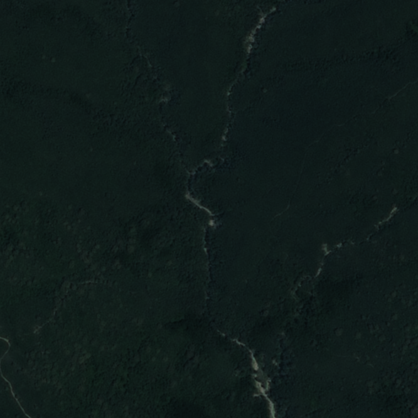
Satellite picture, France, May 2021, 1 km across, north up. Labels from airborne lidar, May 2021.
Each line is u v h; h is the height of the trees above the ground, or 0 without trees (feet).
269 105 20
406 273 20
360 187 28
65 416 30
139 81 53
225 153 64
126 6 69
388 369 32
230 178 22
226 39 18
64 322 23
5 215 37
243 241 19
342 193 21
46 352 43
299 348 19
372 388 41
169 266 32
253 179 19
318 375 23
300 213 19
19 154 17
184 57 19
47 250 38
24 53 30
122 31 58
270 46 22
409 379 43
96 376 27
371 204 38
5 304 18
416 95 19
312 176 19
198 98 19
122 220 32
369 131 17
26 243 22
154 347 21
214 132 27
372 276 25
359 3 19
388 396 27
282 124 26
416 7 17
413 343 44
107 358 20
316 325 20
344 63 21
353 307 19
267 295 32
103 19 21
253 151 22
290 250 18
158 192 19
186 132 23
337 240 22
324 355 21
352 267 23
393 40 23
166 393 22
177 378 19
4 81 26
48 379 45
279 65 29
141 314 24
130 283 20
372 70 19
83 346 24
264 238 20
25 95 19
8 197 21
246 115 19
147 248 35
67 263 24
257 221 19
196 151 19
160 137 51
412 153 18
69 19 19
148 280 22
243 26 36
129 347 21
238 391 30
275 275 38
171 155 39
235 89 25
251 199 27
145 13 17
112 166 19
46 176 18
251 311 22
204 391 27
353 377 24
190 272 38
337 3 17
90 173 19
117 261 54
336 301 21
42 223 28
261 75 18
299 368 25
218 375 25
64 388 20
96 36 31
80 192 19
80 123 18
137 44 50
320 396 44
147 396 30
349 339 19
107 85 21
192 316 42
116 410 24
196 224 58
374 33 19
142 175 18
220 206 36
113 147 22
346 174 36
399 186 20
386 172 20
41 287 27
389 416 19
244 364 51
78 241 19
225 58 20
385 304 21
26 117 19
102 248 19
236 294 18
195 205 88
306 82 23
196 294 68
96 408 31
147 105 39
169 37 22
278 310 29
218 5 18
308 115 22
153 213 54
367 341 20
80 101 37
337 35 18
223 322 58
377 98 24
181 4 20
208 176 26
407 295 19
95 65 19
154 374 23
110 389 24
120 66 20
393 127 18
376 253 18
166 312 20
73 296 21
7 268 18
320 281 31
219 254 38
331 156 17
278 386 22
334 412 21
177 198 75
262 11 58
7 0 24
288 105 20
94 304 21
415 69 18
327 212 30
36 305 19
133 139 22
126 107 33
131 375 27
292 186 17
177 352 17
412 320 20
